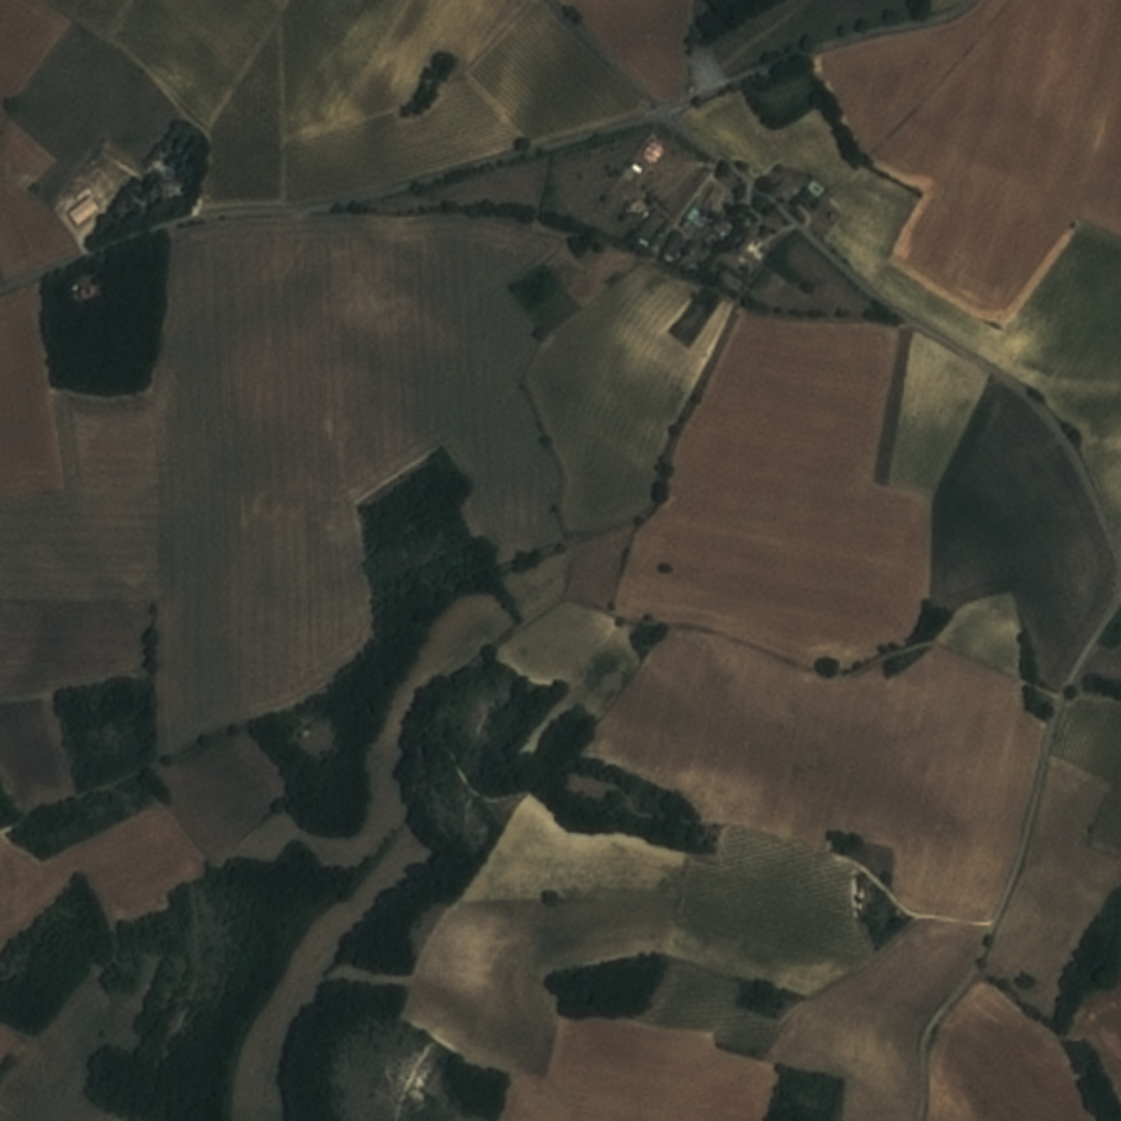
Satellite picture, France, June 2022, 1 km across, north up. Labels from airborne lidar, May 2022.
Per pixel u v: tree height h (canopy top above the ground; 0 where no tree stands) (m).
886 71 0
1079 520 0
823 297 0
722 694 0
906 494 0
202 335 0
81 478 0
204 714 0
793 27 0
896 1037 0
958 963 0
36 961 8
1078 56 0
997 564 0
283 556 0
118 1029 0
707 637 0
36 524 0
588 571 0
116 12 0
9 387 0
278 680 0
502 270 0
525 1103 0
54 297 12
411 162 0
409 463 0
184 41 0
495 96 0
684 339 0
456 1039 0
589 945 0
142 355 16
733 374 0
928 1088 0
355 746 14
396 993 16
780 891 0
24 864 0
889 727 0
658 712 0
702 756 0
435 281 0
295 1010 0
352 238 0
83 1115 0
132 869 0
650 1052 0
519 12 0
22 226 0
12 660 0
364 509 8
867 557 0
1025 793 0
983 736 0
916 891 0
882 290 0
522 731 11
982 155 0
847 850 7
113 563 0
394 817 0
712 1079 0
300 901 10
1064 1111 0
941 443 0
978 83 0
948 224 0
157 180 10
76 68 0
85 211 0
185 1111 13
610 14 0
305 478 0
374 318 0
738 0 15
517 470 0
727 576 0
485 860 9
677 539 0
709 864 0
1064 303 0
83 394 8
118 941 8
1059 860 0
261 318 0
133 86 0
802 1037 0
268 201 0
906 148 0
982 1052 0
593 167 0
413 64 0
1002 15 0
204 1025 11
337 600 0
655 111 0
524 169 0
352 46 0
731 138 0
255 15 0
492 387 0
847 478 0
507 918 0
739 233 12
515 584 0
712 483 0
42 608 0
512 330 0
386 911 19
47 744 0
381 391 0
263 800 0
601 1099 0
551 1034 0
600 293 0
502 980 0
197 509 0
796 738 0
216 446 0
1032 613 0
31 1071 0
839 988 0
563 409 0
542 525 0
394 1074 0
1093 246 0
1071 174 0
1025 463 0
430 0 0
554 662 0
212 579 0
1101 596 0
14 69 0
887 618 0
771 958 0
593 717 7
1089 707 0
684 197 0
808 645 0
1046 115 0
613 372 0
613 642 0
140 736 9
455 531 14
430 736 11
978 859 0
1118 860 0
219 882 8
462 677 12
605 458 0
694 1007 0
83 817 9
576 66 0
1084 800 0
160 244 14
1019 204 0
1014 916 0
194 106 0
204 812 0
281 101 0
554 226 10
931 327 0
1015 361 0
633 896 0
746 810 0
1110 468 0
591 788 0
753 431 0
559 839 0
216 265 0
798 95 0
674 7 0
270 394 0
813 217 0
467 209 8
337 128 0
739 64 0
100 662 0
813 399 0
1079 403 0
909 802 0
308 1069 15
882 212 0
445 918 0
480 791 8
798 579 0
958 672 0
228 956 7
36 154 0
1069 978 12
